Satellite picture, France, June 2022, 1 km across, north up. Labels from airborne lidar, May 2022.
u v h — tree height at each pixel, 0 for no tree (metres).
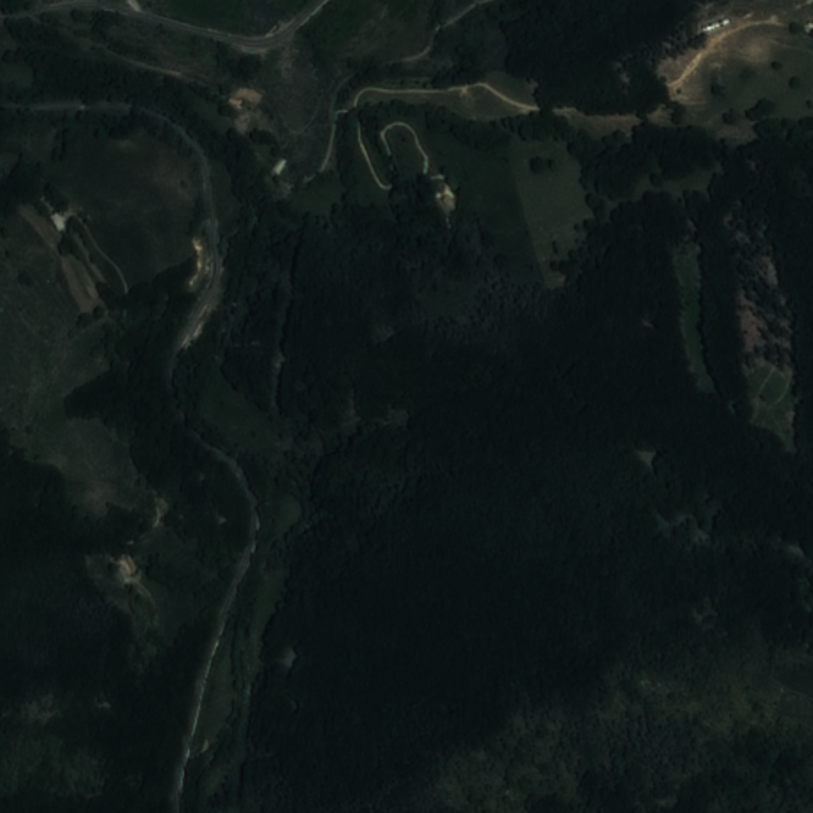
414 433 17
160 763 18
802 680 0
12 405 8
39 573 13
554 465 21
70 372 0
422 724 18
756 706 6
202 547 8
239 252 13
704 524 12
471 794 8
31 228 0
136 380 21
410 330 12
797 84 13
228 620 11
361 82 12
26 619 15
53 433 0
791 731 6
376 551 13
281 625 12
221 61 6
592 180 17
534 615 19
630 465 19
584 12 20
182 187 7
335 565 11
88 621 16
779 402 0
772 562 18
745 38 0
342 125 14
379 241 18
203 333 8
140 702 21
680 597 14
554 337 17
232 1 0
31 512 12
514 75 14
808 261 21
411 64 0
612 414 24
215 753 11
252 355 15
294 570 10
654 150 21
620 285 19
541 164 16
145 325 13
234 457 10
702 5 8
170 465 13
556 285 0
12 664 18
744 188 20
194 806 18
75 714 14
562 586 19
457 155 0
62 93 13
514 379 22
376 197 0
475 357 12
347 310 19
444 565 23
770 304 20
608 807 17
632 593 18
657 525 14
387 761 22
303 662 11
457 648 24
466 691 17
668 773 9
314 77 0
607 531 20
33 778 8
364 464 18
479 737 14
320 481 24
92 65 18
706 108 0
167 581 18
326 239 11
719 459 23
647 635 15
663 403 27
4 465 16
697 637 10
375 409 16
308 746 19
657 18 18
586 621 15
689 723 8
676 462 22
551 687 15
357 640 17
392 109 14
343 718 18
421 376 19
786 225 19
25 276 13
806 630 11
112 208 0
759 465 21
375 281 19
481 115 0
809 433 17
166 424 20
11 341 0
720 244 20
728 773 14
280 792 8
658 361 21
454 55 6
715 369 21
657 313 21
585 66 21
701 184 0
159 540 0
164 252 0
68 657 17
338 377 13
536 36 17
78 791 7
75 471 0
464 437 17
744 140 0
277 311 15
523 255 0
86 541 22
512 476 20
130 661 8
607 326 19
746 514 18
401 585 17
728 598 14
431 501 22
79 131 0
